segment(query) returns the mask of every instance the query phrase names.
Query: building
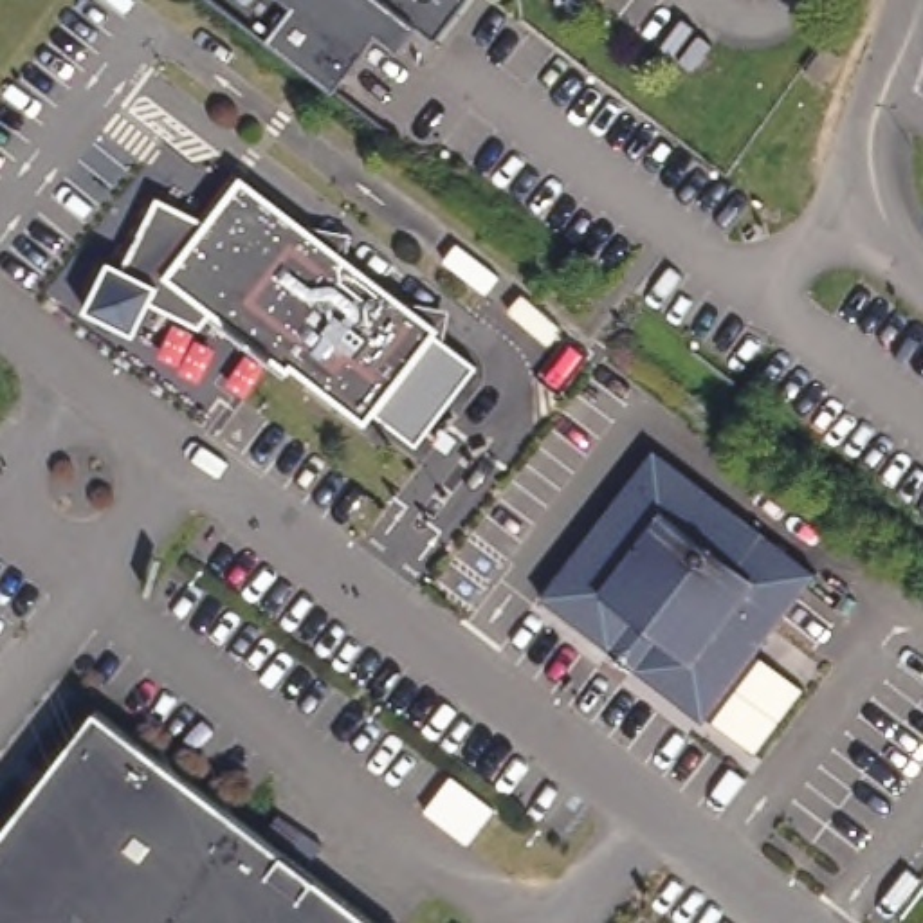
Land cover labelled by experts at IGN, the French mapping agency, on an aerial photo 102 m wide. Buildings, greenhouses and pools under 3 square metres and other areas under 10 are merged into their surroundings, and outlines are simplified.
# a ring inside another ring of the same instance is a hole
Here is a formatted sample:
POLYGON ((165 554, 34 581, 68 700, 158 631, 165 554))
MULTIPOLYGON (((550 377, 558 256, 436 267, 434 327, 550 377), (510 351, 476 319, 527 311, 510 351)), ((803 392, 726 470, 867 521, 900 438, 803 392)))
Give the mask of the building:
POLYGON ((689 480, 681 480, 671 465, 649 454, 642 469, 627 480, 627 487, 617 494, 617 501, 602 512, 602 519, 591 526, 591 534, 580 541, 580 548, 570 555, 570 562, 559 570, 559 577, 548 584, 541 602, 562 620, 570 620, 602 653, 624 656, 642 681, 667 696, 678 710, 699 721, 717 721, 717 743, 728 754, 736 746, 757 750, 797 699, 797 689, 768 667, 761 667, 761 660, 768 653, 764 635, 782 617, 786 602, 797 599, 804 573, 761 534, 750 534, 746 523, 739 523, 689 480))
POLYGON ((231 0, 245 11, 263 11, 263 25, 252 25, 252 36, 267 43, 278 58, 285 58, 296 69, 296 76, 317 87, 321 94, 343 97, 343 79, 350 76, 350 65, 357 58, 364 58, 368 50, 389 50, 411 32, 436 40, 465 0, 231 0))
POLYGON ((263 198, 256 187, 242 180, 227 184, 227 191, 213 202, 206 216, 184 213, 166 202, 151 202, 123 260, 115 267, 97 267, 79 303, 79 321, 123 343, 137 339, 141 324, 155 332, 162 324, 166 332, 184 328, 187 335, 206 332, 213 339, 224 339, 224 346, 242 361, 260 357, 260 379, 278 375, 296 382, 332 418, 343 425, 382 425, 407 451, 425 443, 436 447, 440 415, 458 404, 476 368, 462 353, 454 353, 436 335, 436 328, 425 317, 418 317, 407 303, 400 303, 382 285, 368 281, 310 227, 292 220, 285 209, 278 209, 270 198, 263 198))
POLYGON ((281 854, 270 851, 256 833, 224 815, 198 790, 180 782, 166 764, 148 757, 101 717, 79 721, 79 728, 65 739, 54 761, 40 772, 40 779, 0 826, 0 923, 368 923, 321 883, 281 862, 281 854))
POLYGON ((454 840, 472 844, 476 833, 487 826, 490 811, 469 790, 451 782, 443 782, 443 790, 425 808, 429 822, 436 822, 454 840))

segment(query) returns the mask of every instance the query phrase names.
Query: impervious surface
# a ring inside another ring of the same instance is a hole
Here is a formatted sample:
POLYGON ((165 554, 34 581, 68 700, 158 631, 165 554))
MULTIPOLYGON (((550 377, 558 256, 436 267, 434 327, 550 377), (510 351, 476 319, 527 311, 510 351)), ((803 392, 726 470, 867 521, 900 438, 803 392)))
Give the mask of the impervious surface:
POLYGON ((350 108, 346 130, 339 123, 324 123, 321 133, 306 133, 296 115, 278 76, 260 72, 252 58, 238 50, 209 50, 206 32, 180 32, 144 0, 76 0, 61 11, 54 32, 40 43, 32 61, 7 76, 11 87, 0 101, 0 357, 14 364, 22 382, 18 404, 0 425, 0 826, 40 779, 40 772, 54 761, 65 739, 79 728, 79 721, 101 717, 148 757, 166 764, 180 782, 198 790, 224 815, 256 833, 270 851, 281 854, 281 862, 321 883, 368 923, 407 923, 425 898, 454 901, 462 912, 458 923, 923 923, 923 602, 909 599, 901 588, 876 584, 862 573, 862 562, 829 555, 815 544, 818 534, 811 526, 797 523, 793 512, 779 508, 775 501, 768 494, 746 498, 743 490, 736 490, 721 476, 721 458, 707 451, 703 433, 692 433, 689 422, 656 404, 642 386, 635 386, 624 371, 609 364, 609 343, 635 332, 638 314, 649 306, 692 335, 689 350, 703 361, 707 379, 728 382, 739 371, 754 386, 775 379, 775 386, 786 389, 786 400, 793 400, 793 411, 818 433, 826 447, 840 451, 844 458, 865 462, 873 476, 887 483, 887 501, 905 505, 909 516, 923 523, 923 0, 869 0, 865 22, 847 54, 818 54, 808 69, 808 79, 818 87, 818 94, 829 97, 829 105, 811 155, 815 198, 804 206, 797 220, 790 220, 786 213, 775 213, 764 202, 754 202, 746 191, 732 187, 732 180, 717 177, 714 166, 703 169, 674 130, 645 115, 613 83, 595 76, 580 58, 566 54, 544 32, 526 22, 523 0, 465 0, 436 40, 411 32, 389 50, 368 50, 364 58, 357 58, 350 65, 350 76, 343 79, 343 97, 350 108), (234 97, 242 115, 256 115, 256 123, 263 126, 256 144, 242 141, 238 130, 216 126, 209 119, 209 94, 227 94, 234 97), (544 216, 548 249, 512 263, 494 245, 476 245, 469 224, 447 227, 440 202, 422 187, 393 184, 371 173, 353 144, 353 133, 382 126, 386 119, 407 144, 440 144, 440 159, 462 155, 472 169, 490 177, 494 187, 501 187, 501 195, 526 206, 534 216, 544 216), (249 393, 260 379, 260 357, 242 361, 224 346, 224 339, 213 339, 206 332, 187 335, 184 328, 166 332, 162 324, 155 332, 141 324, 137 339, 123 343, 79 321, 79 303, 97 267, 115 267, 123 260, 151 202, 166 202, 184 213, 206 216, 213 202, 227 191, 227 184, 242 180, 256 187, 263 198, 270 198, 278 209, 285 209, 292 220, 310 227, 368 281, 382 285, 400 303, 407 303, 418 317, 425 317, 436 328, 436 335, 454 353, 462 353, 476 368, 458 404, 440 415, 436 447, 425 443, 407 451, 407 480, 397 480, 397 494, 386 501, 386 508, 371 508, 368 501, 361 501, 361 483, 335 472, 328 472, 321 443, 303 451, 299 440, 292 440, 281 425, 267 422, 249 404, 249 393), (606 270, 624 270, 617 278, 617 288, 602 299, 570 303, 566 310, 555 303, 555 296, 541 296, 530 306, 530 281, 555 274, 566 260, 577 256, 591 256, 606 270), (862 285, 854 285, 836 310, 822 310, 811 299, 811 281, 833 267, 862 267, 865 274, 862 285), (487 512, 480 516, 480 523, 472 523, 469 512, 480 501, 483 476, 490 469, 505 469, 516 458, 519 443, 534 433, 537 418, 544 415, 566 415, 570 422, 577 422, 577 433, 548 433, 530 454, 530 462, 516 472, 516 480, 498 487, 494 501, 512 512, 508 523, 487 512), (602 519, 602 512, 617 501, 617 494, 627 487, 627 480, 642 469, 649 454, 671 465, 681 480, 689 480, 739 523, 746 523, 750 534, 761 534, 804 573, 797 599, 786 602, 782 617, 764 635, 768 653, 761 660, 761 667, 768 667, 797 689, 797 699, 757 750, 736 746, 728 754, 717 743, 717 721, 699 721, 678 710, 667 696, 642 681, 624 656, 602 653, 570 620, 562 620, 541 602, 548 584, 559 577, 559 570, 570 562, 570 555, 580 548, 580 541, 591 534, 591 526, 602 519), (231 577, 245 602, 256 602, 285 631, 296 631, 299 642, 310 645, 335 671, 353 667, 357 681, 368 685, 368 692, 346 703, 346 696, 335 692, 328 681, 314 678, 306 667, 296 667, 281 645, 263 638, 256 627, 242 624, 238 613, 224 613, 224 606, 209 599, 198 584, 173 573, 159 573, 159 562, 151 559, 155 548, 162 548, 162 541, 187 512, 202 512, 206 526, 198 530, 191 548, 195 562, 209 566, 216 577, 231 577), (443 613, 418 591, 418 573, 425 570, 425 559, 436 548, 447 552, 447 562, 440 570, 440 591, 465 606, 465 620, 443 613), (76 656, 97 653, 115 653, 115 667, 108 671, 105 692, 87 689, 69 671, 76 656), (429 822, 425 808, 443 790, 443 782, 451 782, 433 764, 415 761, 415 754, 389 728, 379 725, 382 707, 393 707, 415 728, 422 728, 422 736, 436 743, 443 754, 458 754, 462 764, 472 764, 487 779, 494 775, 498 793, 512 793, 534 822, 544 826, 552 818, 552 804, 588 811, 599 818, 599 840, 584 854, 577 854, 562 876, 512 880, 498 865, 490 865, 472 844, 454 840, 436 822, 429 822), (274 808, 256 811, 245 804, 231 804, 220 793, 227 775, 242 764, 249 782, 274 782, 274 808))
POLYGON ((707 50, 721 43, 743 50, 768 47, 790 32, 790 7, 797 7, 800 0, 602 0, 638 36, 663 47, 660 61, 674 61, 685 69, 699 69, 707 61, 707 50))

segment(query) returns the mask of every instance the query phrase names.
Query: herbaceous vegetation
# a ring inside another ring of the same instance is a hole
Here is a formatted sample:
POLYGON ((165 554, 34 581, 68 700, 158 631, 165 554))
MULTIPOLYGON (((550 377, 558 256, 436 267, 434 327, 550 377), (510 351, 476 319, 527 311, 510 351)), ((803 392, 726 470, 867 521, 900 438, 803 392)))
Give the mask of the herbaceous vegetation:
POLYGON ((739 371, 728 382, 707 379, 703 361, 689 350, 692 335, 649 306, 638 314, 635 332, 609 343, 609 364, 624 371, 635 386, 642 386, 656 404, 689 422, 692 433, 703 433, 707 451, 721 458, 721 433, 743 425, 743 397, 754 386, 739 371))
POLYGON ((854 519, 851 530, 818 534, 815 544, 829 555, 862 562, 862 573, 876 584, 901 588, 912 548, 898 544, 898 526, 883 523, 883 516, 865 512, 854 519))
POLYGON ((7 76, 32 61, 40 43, 54 32, 61 11, 76 0, 0 0, 0 101, 11 87, 7 76))
POLYGON ((162 541, 162 548, 155 548, 151 559, 159 562, 159 573, 173 573, 177 555, 191 548, 198 530, 206 526, 202 512, 187 512, 162 541))
POLYGON ((343 425, 346 454, 339 458, 335 472, 361 483, 361 501, 368 501, 371 508, 386 508, 386 501, 397 494, 397 480, 407 480, 407 451, 382 425, 343 425))
POLYGON ((454 901, 425 898, 407 923, 458 923, 462 912, 454 901))
POLYGON ((14 364, 0 357, 0 425, 18 404, 22 382, 14 364))
POLYGON ((793 512, 797 523, 811 526, 829 505, 826 498, 811 498, 808 490, 790 487, 775 501, 779 508, 793 512))
POLYGON ((332 418, 296 382, 278 375, 260 379, 249 393, 249 404, 267 422, 281 425, 292 440, 299 440, 303 451, 321 443, 317 429, 332 418))
POLYGON ((865 274, 862 267, 833 267, 811 281, 811 299, 822 310, 836 310, 854 285, 862 285, 865 274))
POLYGON ((252 25, 263 25, 263 11, 245 11, 231 0, 144 0, 180 32, 206 32, 209 50, 238 50, 252 58, 260 72, 278 76, 296 115, 310 108, 310 101, 317 101, 321 94, 317 87, 296 76, 296 69, 285 58, 278 58, 267 43, 252 36, 252 25))
POLYGON ((552 818, 544 826, 534 822, 526 833, 516 833, 490 811, 487 826, 476 833, 472 844, 490 865, 498 865, 512 880, 562 876, 577 854, 584 854, 599 840, 599 818, 588 811, 552 804, 552 818))
POLYGON ((721 43, 707 50, 707 61, 699 69, 685 69, 663 97, 649 97, 638 94, 642 65, 617 65, 609 58, 609 32, 599 22, 588 22, 584 14, 570 22, 555 18, 544 32, 566 54, 580 58, 595 76, 613 83, 645 115, 674 130, 703 169, 714 166, 717 177, 732 180, 732 187, 746 191, 754 202, 764 202, 775 213, 786 213, 790 220, 797 220, 804 206, 815 198, 811 155, 829 105, 829 97, 818 94, 818 87, 808 79, 808 69, 800 61, 779 61, 779 54, 768 47, 743 50, 721 43))

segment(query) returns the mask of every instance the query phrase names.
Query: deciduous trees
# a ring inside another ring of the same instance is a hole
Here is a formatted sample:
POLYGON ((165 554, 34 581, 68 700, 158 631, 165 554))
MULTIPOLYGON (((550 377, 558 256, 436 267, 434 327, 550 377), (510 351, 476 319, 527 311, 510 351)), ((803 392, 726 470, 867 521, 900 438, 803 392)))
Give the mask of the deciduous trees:
POLYGON ((69 671, 87 689, 105 692, 108 671, 115 667, 115 653, 97 653, 76 656, 69 671))
POLYGON ((797 7, 790 7, 790 32, 768 47, 779 54, 779 61, 800 61, 808 69, 818 54, 847 54, 865 22, 869 0, 800 0, 797 7))
POLYGON ((220 793, 231 804, 245 804, 256 811, 274 808, 274 782, 249 782, 242 764, 227 775, 220 793))

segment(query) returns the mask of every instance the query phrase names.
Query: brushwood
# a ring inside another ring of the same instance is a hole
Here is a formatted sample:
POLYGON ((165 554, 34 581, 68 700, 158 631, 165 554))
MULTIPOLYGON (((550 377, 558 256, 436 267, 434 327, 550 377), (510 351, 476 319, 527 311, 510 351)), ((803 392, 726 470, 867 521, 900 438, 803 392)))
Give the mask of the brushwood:
POLYGON ((425 559, 425 570, 418 573, 418 591, 443 613, 465 620, 465 606, 440 591, 440 570, 447 562, 447 552, 436 548, 425 559))
POLYGON ((526 22, 544 32, 555 18, 570 22, 584 14, 588 22, 599 22, 609 32, 609 58, 617 65, 642 65, 638 94, 649 97, 663 97, 685 69, 674 61, 660 61, 663 47, 638 36, 602 0, 523 0, 526 22))
POLYGON ((555 296, 555 303, 566 310, 570 303, 602 299, 617 288, 617 278, 624 270, 606 270, 591 256, 577 256, 566 260, 555 274, 530 281, 530 306, 541 296, 555 296))
POLYGON ((443 754, 436 743, 422 736, 422 728, 415 728, 393 707, 382 707, 379 725, 389 728, 415 754, 415 761, 433 764, 451 782, 469 790, 490 811, 516 833, 526 833, 534 822, 512 793, 498 793, 494 775, 487 779, 472 764, 462 764, 458 754, 443 754))
POLYGON ((476 245, 494 245, 512 263, 548 249, 544 216, 534 216, 526 206, 501 195, 501 187, 494 187, 490 177, 472 169, 462 155, 440 159, 440 144, 407 144, 386 119, 382 126, 353 133, 353 144, 371 173, 393 184, 422 187, 440 202, 447 227, 469 224, 476 245))
POLYGON ((335 472, 339 458, 346 454, 343 425, 332 418, 317 429, 321 443, 328 472, 335 472))
POLYGON ((224 613, 238 613, 242 624, 256 627, 263 638, 281 645, 296 667, 306 667, 314 678, 328 681, 335 692, 346 696, 346 703, 368 692, 368 685, 357 681, 353 667, 335 671, 310 645, 299 642, 296 631, 285 631, 256 602, 245 602, 231 577, 216 577, 209 566, 195 562, 191 548, 177 555, 173 573, 198 584, 209 599, 224 606, 224 613))
POLYGON ((242 141, 256 144, 263 126, 256 123, 256 115, 242 115, 234 97, 227 94, 209 94, 209 119, 216 126, 238 130, 242 141))
POLYGON ((811 526, 818 534, 851 530, 854 519, 865 512, 883 516, 883 523, 898 526, 898 544, 912 548, 901 588, 909 599, 923 602, 923 523, 909 516, 905 505, 887 501, 887 483, 873 476, 865 462, 844 458, 840 451, 826 447, 818 433, 793 411, 793 400, 786 400, 786 389, 775 386, 775 379, 754 386, 743 397, 743 425, 721 433, 721 458, 721 476, 736 490, 743 490, 746 498, 768 494, 775 501, 790 487, 808 490, 811 498, 826 498, 829 505, 811 526))
POLYGON ((577 422, 570 422, 566 415, 544 415, 537 418, 534 433, 519 443, 516 458, 505 469, 490 469, 483 476, 480 501, 469 512, 472 523, 480 523, 480 516, 487 512, 508 523, 512 512, 494 501, 498 487, 516 480, 516 472, 530 462, 530 454, 548 433, 577 433, 577 422))
POLYGON ((324 123, 339 123, 346 130, 350 108, 343 97, 321 94, 317 101, 310 101, 310 108, 296 115, 306 133, 321 133, 324 123))

